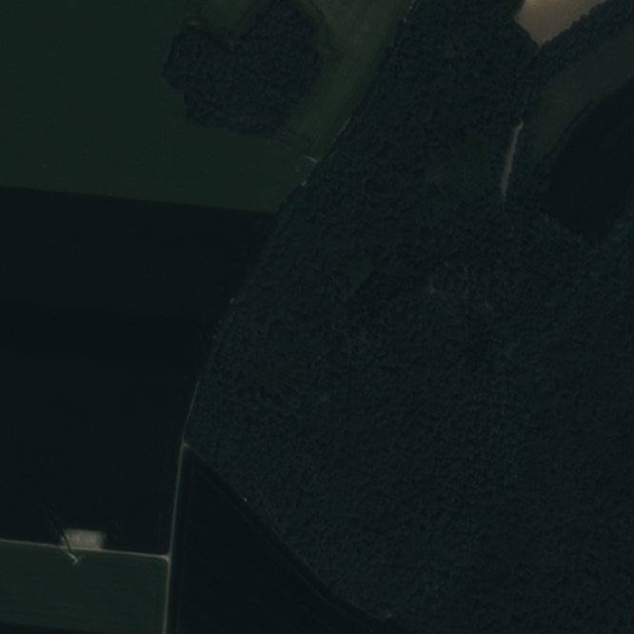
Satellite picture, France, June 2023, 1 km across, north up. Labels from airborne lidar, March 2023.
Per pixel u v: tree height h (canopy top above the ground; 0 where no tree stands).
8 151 0
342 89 0
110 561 0
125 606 0
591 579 26
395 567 23
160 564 0
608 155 0
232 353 18
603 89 0
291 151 0
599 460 28
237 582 0
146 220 0
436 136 24
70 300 0
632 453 26
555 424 17
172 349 0
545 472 23
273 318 8
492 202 21
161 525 0
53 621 0
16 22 0
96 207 0
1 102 0
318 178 11
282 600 0
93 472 0
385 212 23
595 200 0
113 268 0
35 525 0
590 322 22
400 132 21
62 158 0
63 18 0
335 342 8
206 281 0
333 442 19
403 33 12
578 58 11
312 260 23
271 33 21
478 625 24
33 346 0
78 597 0
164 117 0
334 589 15
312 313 25
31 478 0
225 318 12
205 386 12
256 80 22
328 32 0
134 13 0
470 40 26
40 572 0
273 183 0
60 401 0
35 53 0
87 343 0
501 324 25
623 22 22
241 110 18
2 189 0
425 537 19
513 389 18
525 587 24
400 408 21
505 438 16
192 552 0
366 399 22
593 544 25
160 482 0
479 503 26
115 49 0
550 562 29
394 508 24
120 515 0
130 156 0
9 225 0
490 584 22
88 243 0
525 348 23
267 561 0
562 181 0
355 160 14
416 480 19
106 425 0
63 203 0
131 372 0
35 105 0
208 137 0
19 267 0
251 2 0
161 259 0
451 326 28
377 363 13
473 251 19
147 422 0
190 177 0
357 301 11
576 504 21
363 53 0
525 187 7
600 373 27
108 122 0
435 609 20
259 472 22
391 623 0
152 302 0
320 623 0
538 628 18
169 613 0
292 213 21
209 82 19
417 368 26
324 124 0
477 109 19
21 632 0
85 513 0
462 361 21
